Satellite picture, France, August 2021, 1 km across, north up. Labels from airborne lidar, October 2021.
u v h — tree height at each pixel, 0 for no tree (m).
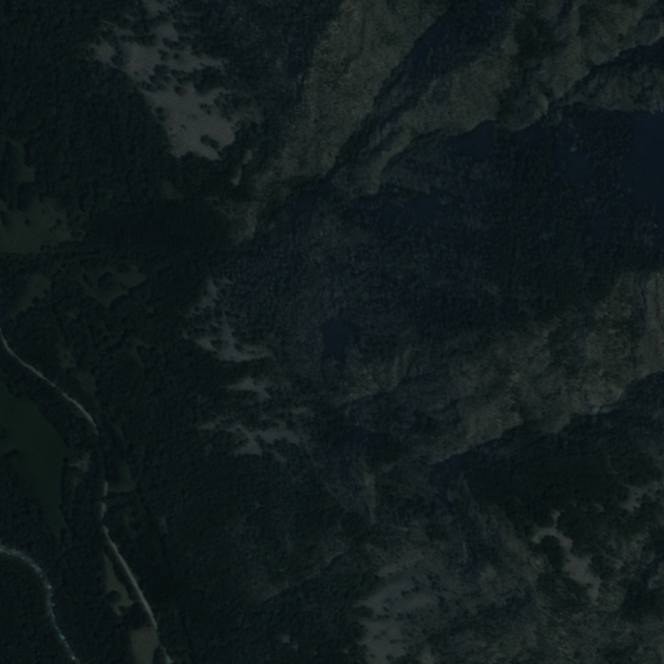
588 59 8
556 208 12
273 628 12
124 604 0
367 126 10
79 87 15
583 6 13
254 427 8
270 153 6
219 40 13
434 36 11
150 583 15
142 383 21
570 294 9
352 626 7
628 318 7
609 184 12
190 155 7
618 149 13
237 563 8
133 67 0
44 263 15
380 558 6
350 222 9
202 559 20
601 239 9
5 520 22
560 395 6
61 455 0
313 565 6
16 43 22
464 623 6
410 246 6
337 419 8
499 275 9
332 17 7
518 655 6
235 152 19
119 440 15
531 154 14
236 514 8
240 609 13
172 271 17
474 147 8
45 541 10
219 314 9
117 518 22
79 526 29
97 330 17
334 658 15
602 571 8
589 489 20
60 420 27
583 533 16
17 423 0
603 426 6
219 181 14
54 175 20
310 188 16
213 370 16
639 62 9
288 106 6
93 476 7
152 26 8
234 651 15
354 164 6
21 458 14
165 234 22
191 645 15
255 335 9
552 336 7
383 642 0
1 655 24
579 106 10
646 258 9
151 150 19
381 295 7
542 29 11
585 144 7
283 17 9
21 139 19
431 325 7
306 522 11
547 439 15
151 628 12
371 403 6
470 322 7
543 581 9
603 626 5
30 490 15
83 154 21
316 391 9
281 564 8
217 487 14
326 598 6
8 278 8
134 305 19
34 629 17
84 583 22
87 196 13
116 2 14
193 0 13
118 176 10
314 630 7
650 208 8
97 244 14
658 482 12
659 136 13
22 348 11
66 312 10
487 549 10
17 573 8
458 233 6
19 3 18
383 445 13
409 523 7
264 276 8
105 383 17
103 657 16
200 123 0
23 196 21
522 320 6
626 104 0
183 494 17
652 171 16
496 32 9
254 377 7
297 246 6
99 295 0
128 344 17
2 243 0
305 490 10
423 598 0
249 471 10
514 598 8
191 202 14
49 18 17
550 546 19
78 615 14
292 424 14
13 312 14
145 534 22
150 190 18
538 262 7
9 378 7
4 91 23
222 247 14
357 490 8
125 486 0
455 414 10
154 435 19
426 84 12
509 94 9
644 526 11
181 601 8
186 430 11
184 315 7
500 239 9
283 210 10
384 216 7
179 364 17
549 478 16
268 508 10
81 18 21
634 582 11
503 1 7
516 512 8
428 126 8
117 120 20
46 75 19
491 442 6
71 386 20
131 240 19
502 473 13
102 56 0
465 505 10
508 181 5
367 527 7
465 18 8
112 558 9
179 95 6
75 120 12
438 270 6
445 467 6
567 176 8
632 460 9
